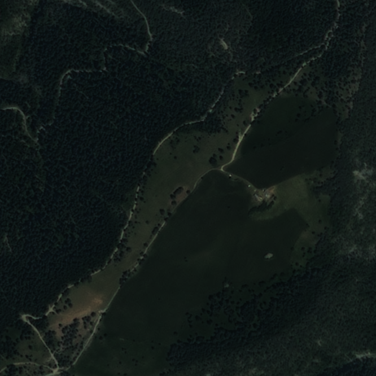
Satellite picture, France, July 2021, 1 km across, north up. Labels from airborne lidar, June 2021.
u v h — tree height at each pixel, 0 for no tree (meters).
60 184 23
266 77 14
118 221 12
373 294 14
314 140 0
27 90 13
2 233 11
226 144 0
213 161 17
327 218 0
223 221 0
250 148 0
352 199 8
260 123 12
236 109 13
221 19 11
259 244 0
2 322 18
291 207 0
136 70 24
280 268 0
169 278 0
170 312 0
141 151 18
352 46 11
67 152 17
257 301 14
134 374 0
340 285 19
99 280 0
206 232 0
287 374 10
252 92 0
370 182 6
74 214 21
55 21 10
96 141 21
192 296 0
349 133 11
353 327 12
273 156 0
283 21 17
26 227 30
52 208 29
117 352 0
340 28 10
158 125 18
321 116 0
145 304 0
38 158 24
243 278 0
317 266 13
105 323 0
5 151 22
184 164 0
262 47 12
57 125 18
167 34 8
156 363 0
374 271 14
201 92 10
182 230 0
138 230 0
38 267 27
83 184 25
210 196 0
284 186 0
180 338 0
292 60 11
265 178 0
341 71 16
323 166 5
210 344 18
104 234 19
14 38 13
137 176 15
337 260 9
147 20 7
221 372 8
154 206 0
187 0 22
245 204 0
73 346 10
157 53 24
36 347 0
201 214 0
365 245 9
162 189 0
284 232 0
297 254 0
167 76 32
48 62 18
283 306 12
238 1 14
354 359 13
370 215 10
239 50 12
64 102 11
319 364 11
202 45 9
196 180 0
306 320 12
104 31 30
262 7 16
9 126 11
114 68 20
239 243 0
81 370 0
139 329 0
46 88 8
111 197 16
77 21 17
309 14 19
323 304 13
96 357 0
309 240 0
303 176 0
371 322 5
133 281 0
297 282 16
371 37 13
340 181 13
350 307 6
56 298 15
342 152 10
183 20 6
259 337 15
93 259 18
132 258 0
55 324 0
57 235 9
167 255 0
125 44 25
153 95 11
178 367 9
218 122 11
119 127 10
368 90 10
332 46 10
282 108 0
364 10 10
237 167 0
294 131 0
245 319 15
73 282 8
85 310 0
